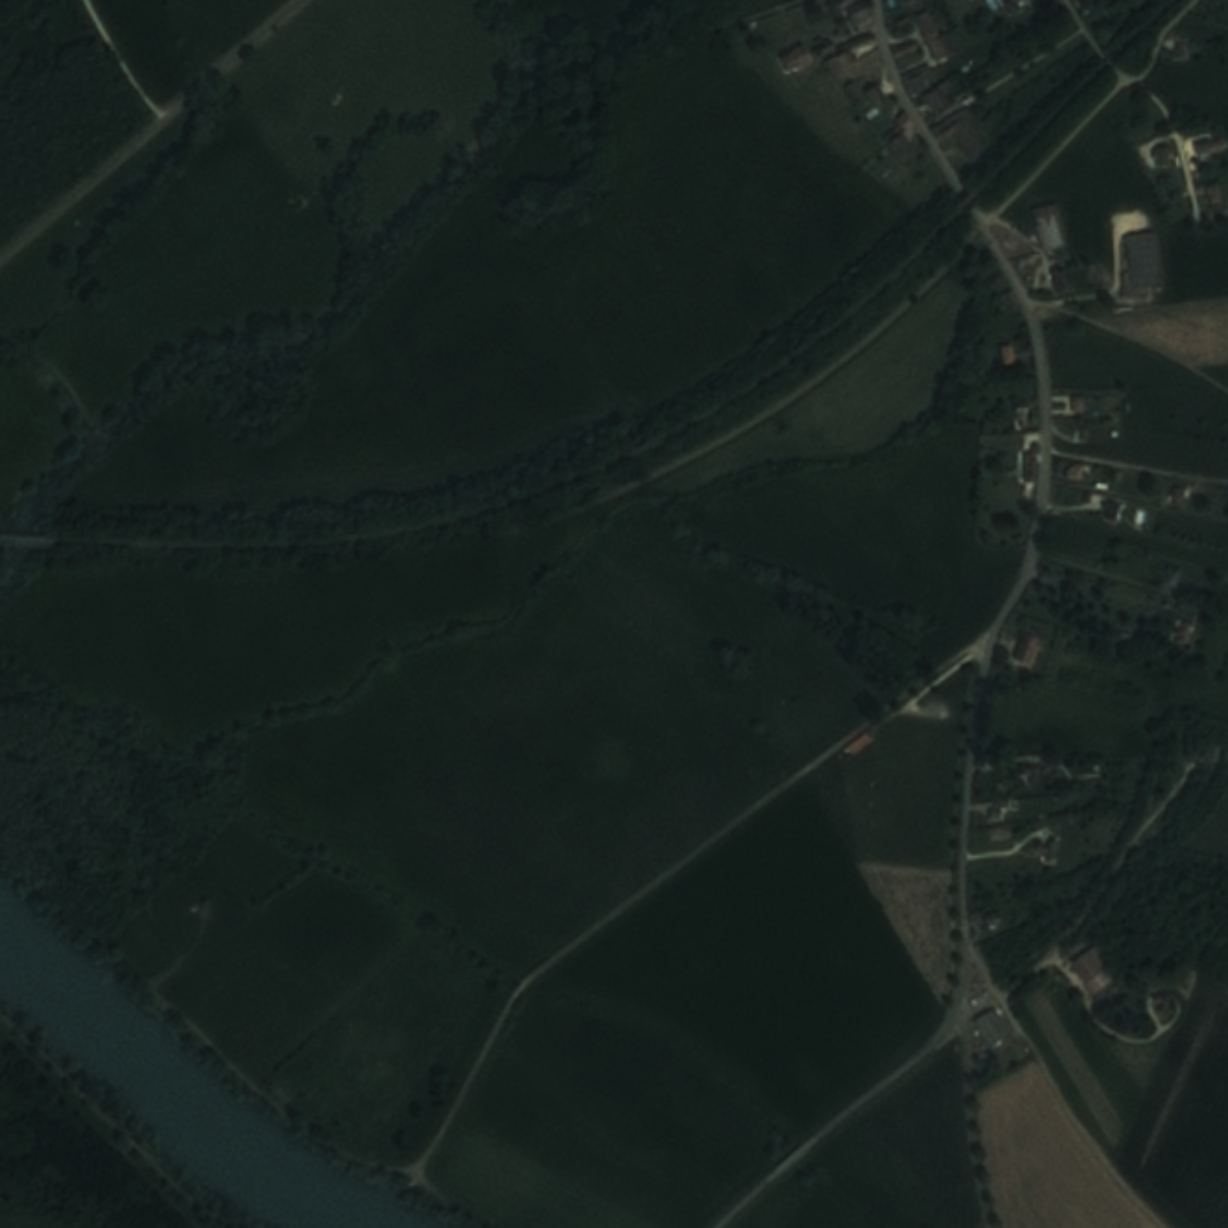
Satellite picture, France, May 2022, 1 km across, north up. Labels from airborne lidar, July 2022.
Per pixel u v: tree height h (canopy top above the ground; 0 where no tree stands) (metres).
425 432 0
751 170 0
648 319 0
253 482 0
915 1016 0
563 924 0
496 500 13
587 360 0
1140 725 0
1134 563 0
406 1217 0
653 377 0
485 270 0
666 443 9
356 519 16
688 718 0
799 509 0
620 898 0
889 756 0
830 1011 0
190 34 0
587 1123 0
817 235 0
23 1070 15
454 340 0
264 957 0
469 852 0
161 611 0
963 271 13
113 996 0
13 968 0
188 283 0
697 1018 0
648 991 0
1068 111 12
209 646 0
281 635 0
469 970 0
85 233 0
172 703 0
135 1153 8
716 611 0
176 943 0
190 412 0
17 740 17
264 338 24
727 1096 0
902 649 21
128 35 0
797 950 0
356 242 21
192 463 0
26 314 0
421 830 0
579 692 0
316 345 18
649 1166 0
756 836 0
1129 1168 0
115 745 11
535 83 17
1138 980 11
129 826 10
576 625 0
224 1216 27
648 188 0
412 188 0
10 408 0
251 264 0
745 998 0
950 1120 0
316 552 8
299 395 19
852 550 0
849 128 0
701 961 0
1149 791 10
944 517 0
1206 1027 0
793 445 0
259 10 0
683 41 23
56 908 18
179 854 9
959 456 0
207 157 0
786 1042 0
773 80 0
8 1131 7
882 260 13
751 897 0
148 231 0
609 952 0
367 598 0
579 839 0
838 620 25
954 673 0
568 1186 0
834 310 8
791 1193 0
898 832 0
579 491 16
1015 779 16
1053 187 0
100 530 20
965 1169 0
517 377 0
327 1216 0
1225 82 0
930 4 6
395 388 0
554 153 0
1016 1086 0
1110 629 14
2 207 18
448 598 0
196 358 18
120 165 0
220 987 0
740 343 0
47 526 17
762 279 0
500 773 0
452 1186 0
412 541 8
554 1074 0
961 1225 0
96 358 0
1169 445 0
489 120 20
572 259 0
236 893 0
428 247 0
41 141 18
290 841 9
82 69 16
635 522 0
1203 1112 0
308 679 0
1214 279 0
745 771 0
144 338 0
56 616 0
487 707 0
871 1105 0
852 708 0
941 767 0
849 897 0
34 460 0
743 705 0
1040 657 0
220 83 23
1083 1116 0
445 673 0
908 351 0
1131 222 0
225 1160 0
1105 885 14
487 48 0
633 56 28
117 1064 0
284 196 0
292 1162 0
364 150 21
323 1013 0
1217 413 0
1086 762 5
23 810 15
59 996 0
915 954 0
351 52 0
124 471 0
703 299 0
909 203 0
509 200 11
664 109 0
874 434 0
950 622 0
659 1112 0
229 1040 0
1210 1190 0
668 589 0
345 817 0
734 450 0
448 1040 0
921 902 0
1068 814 7
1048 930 14
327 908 0
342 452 0
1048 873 5
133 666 0
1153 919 7
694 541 10
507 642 0
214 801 6
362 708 0
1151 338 0
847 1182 0
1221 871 11
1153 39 13
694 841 0
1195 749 9
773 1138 7
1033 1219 0
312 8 0
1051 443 0
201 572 20
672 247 0
